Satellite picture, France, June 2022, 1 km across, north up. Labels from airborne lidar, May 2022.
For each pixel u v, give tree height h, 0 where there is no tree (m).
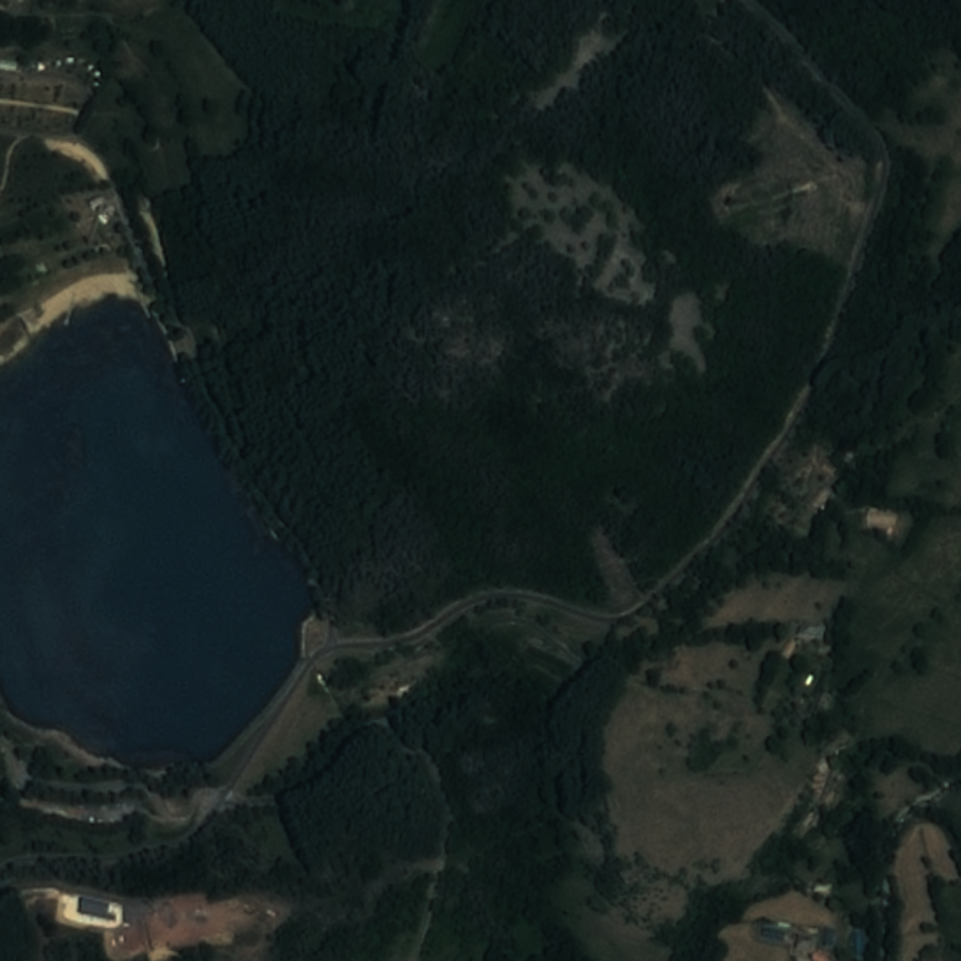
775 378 15
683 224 21
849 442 17
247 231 31
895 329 22
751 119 23
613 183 9
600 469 14
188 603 0
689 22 18
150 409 0
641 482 18
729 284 9
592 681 31
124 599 0
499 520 23
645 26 16
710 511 17
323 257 23
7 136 0
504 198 15
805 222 0
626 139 21
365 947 12
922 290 16
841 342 17
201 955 11
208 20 22
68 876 13
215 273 21
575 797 29
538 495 18
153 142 8
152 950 0
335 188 21
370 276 18
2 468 0
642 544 24
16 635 0
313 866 31
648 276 11
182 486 0
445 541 15
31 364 0
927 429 0
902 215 15
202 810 0
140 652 0
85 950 7
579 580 18
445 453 21
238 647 0
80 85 0
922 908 0
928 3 19
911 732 0
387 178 19
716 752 0
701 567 16
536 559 16
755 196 0
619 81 18
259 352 21
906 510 7
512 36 29
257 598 0
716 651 0
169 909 0
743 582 13
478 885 15
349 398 21
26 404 0
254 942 0
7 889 0
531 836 18
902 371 32
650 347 7
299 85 28
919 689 0
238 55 24
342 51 21
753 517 6
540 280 11
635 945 0
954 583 0
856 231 0
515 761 28
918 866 0
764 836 0
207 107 13
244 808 11
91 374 0
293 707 0
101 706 0
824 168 0
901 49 22
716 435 17
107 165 0
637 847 0
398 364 14
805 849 15
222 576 0
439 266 19
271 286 26
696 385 12
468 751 22
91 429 0
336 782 33
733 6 23
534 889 23
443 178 9
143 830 16
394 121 35
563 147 20
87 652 0
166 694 0
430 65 0
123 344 0
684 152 32
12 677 0
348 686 11
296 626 0
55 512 0
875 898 13
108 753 0
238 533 0
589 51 0
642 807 0
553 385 14
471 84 13
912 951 0
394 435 13
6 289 17
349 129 10
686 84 23
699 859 0
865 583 0
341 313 24
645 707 0
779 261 24
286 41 31
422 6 34
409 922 9
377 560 15
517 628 0
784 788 0
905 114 11
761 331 19
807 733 15
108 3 0
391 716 12
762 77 16
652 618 8
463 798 23
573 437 14
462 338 8
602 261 9
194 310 30
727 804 0
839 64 20
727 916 15
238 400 23
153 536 0
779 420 14
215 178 27
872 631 0
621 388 7
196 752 0
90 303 0
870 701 0
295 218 22
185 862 13
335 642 0
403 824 33
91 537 0
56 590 0
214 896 8
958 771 13
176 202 15
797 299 17
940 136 0
